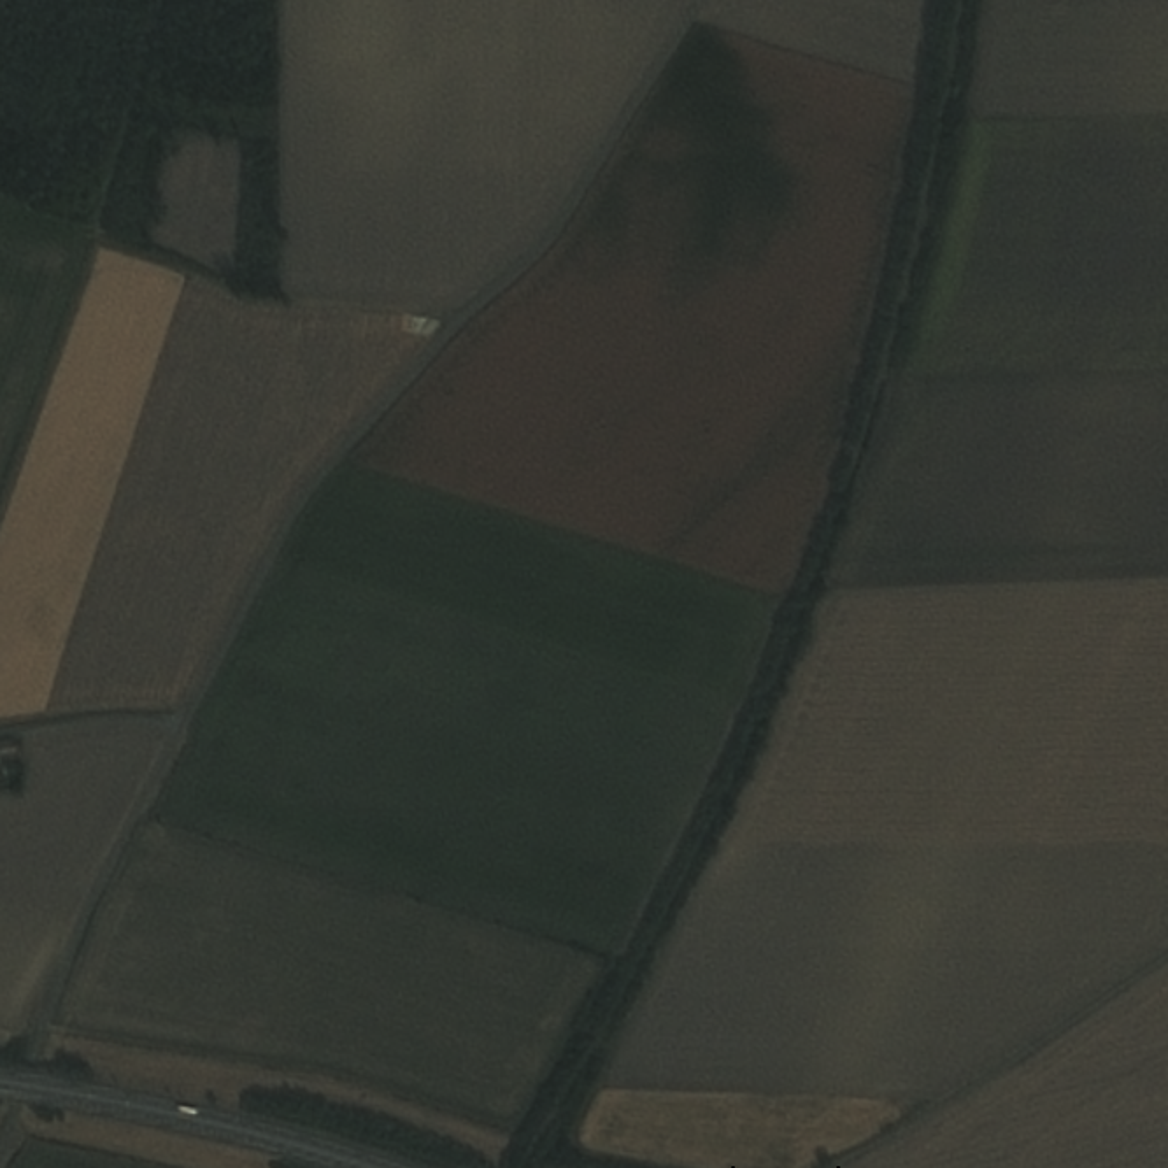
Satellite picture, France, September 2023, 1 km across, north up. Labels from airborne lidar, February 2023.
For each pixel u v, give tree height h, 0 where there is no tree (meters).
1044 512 0
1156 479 0
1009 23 0
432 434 0
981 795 0
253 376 0
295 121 0
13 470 0
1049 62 0
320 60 0
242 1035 0
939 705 0
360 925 0
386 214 0
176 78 23
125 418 0
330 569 0
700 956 0
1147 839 0
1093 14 0
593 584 0
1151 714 0
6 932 0
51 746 0
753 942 0
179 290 0
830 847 0
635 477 0
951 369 0
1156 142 0
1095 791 0
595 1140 0
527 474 0
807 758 0
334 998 0
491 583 0
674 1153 0
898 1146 0
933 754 0
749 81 0
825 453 0
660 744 0
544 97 0
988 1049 0
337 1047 0
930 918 0
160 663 0
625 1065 0
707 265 0
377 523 0
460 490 0
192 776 0
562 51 0
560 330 0
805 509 0
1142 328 0
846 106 0
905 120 0
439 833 0
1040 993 0
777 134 0
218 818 0
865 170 0
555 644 0
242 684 0
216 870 0
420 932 0
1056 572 0
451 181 0
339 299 0
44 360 0
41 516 0
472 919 0
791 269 0
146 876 0
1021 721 0
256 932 0
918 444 0
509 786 0
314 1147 0
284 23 0
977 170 0
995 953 0
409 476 0
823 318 0
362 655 0
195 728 0
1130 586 0
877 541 0
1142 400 0
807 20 0
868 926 0
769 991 0
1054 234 0
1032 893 0
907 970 0
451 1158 6
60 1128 0
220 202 0
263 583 0
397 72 0
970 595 0
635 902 0
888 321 10
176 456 0
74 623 0
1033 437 0
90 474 0
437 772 0
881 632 0
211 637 0
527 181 0
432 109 0
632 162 0
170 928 0
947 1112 0
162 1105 0
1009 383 0
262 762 0
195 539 0
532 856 0
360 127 0
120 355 0
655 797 0
